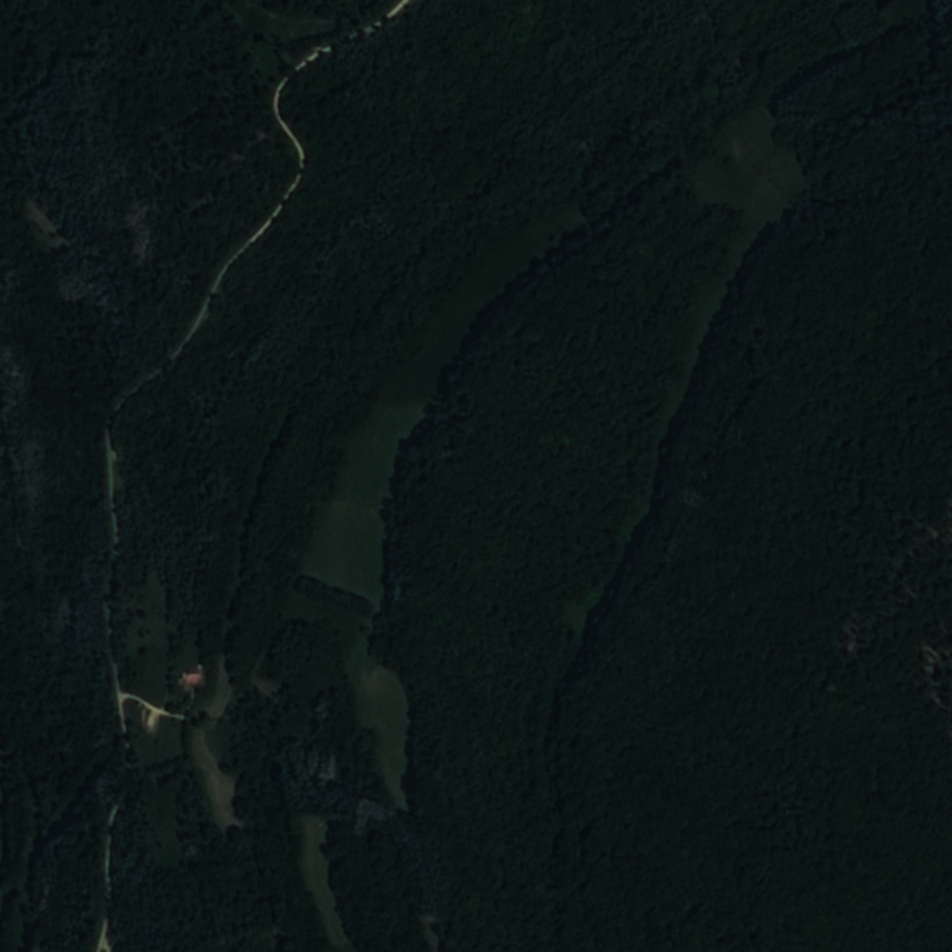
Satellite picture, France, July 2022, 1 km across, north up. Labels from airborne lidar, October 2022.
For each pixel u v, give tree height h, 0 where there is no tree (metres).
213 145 22
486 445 11
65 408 11
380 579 0
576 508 15
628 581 30
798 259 33
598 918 26
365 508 0
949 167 25
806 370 20
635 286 24
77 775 22
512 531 17
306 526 15
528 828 18
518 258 0
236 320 6
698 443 26
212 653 22
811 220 27
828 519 25
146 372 12
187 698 7
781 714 15
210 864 25
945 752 22
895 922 16
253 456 18
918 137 15
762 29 17
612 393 15
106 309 24
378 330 20
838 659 19
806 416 20
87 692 7
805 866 22
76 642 22
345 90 15
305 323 24
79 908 7
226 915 23
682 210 21
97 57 21
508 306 29
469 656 16
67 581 11
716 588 16
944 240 19
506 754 11
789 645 19
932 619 19
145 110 6
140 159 7
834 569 19
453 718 17
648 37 29
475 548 14
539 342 17
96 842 10
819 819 28
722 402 13
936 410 18
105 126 30
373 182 16
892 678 21
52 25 19
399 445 0
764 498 19
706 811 20
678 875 19
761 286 30
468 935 20
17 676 16
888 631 22
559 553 16
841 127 15
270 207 10
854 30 26
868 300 18
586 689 31
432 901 30
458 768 10
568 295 26
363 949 14
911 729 20
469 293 0
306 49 10
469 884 21
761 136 0
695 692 15
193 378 8
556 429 19
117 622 11
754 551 21
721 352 30
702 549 28
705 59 26
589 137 21
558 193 9
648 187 26
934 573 27
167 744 0
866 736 19
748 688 17
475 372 33
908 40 30
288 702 7
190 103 19
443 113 11
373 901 15
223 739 0
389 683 0
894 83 7
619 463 8
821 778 17
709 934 15
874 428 19
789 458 14
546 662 19
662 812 16
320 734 24
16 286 7
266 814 12
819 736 14
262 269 10
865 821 17
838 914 16
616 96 13
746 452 25
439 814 15
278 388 17
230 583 20
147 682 0
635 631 30
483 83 12
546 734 7
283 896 28
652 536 30
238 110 18
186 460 11
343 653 6
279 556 16
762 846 18
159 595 0
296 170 10
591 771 24
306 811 28
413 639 20
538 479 16
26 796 28
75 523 8
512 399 15
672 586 28
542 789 22
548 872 15
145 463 17
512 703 18
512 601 20
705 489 24
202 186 19
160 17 9
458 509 15
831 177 19
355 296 25
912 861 12
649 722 14
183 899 9
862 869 12
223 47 7
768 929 17
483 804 14
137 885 7
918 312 18
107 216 13
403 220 21
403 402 0
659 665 17
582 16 13
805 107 26
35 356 10
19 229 19
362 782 18
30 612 6
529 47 13
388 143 13
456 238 17
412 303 17
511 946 16
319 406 18
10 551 6
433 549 12
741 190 0
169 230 23
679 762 20
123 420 10
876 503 19
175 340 7
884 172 18
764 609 17
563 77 30
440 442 27
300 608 0
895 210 30
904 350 20
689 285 15
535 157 20
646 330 18
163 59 11
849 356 19
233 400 18
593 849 27
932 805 17
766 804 19
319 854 0
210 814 9
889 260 18
